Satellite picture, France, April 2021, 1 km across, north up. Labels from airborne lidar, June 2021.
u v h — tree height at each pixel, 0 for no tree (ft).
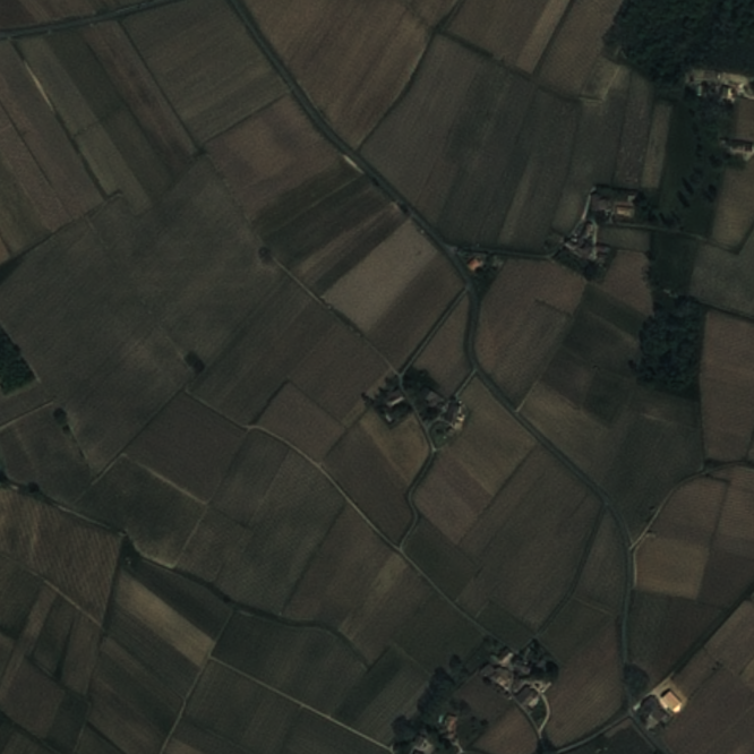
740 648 0
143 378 0
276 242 0
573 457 0
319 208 0
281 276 0
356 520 0
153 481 0
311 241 0
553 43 0
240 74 0
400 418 22
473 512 0
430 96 0
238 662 0
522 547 0
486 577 0
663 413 0
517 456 0
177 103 0
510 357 0
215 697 0
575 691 0
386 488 0
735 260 0
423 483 0
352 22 0
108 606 0
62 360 0
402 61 0
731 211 0
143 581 0
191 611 0
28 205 0
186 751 0
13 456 0
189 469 0
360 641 0
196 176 0
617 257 0
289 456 0
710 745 0
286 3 0
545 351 0
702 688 0
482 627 0
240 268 0
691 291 0
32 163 0
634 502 0
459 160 0
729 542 0
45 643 0
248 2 0
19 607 0
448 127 0
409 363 0
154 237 0
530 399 0
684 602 0
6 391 52
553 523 0
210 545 0
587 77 0
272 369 0
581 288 0
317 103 0
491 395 0
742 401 0
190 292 0
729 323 0
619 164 0
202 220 0
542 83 0
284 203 0
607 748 0
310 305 0
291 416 0
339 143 0
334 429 0
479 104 0
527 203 0
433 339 0
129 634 0
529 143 0
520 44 0
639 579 0
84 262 0
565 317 0
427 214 0
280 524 0
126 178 0
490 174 0
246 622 0
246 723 0
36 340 0
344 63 0
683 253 0
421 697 0
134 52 0
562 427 0
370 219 0
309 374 0
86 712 0
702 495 0
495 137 0
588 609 0
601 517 0
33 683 0
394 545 0
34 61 0
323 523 0
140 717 0
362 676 0
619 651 0
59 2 0
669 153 0
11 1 0
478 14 0
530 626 0
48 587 0
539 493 0
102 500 0
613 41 32
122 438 0
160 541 0
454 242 0
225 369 0
